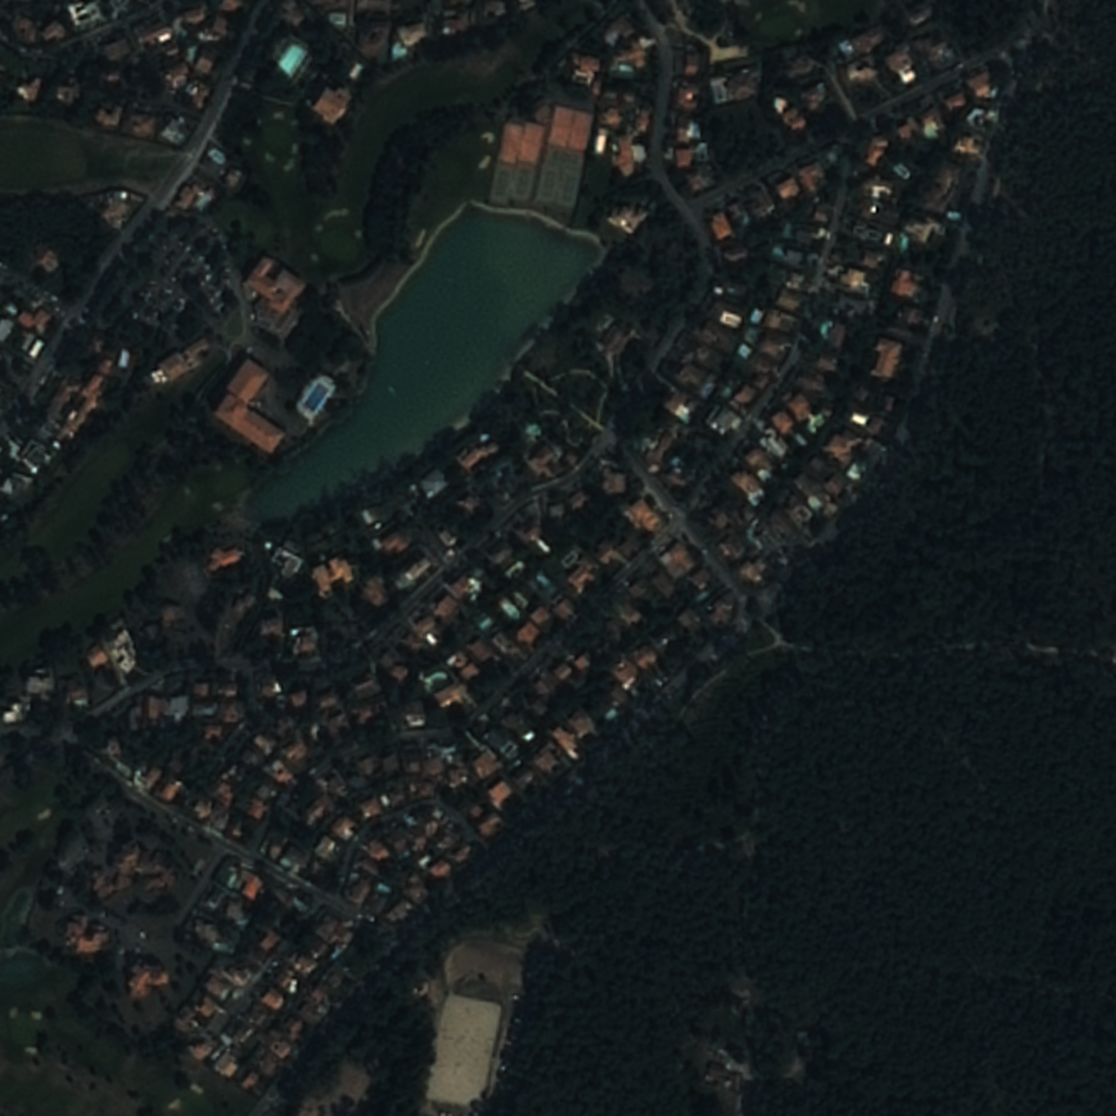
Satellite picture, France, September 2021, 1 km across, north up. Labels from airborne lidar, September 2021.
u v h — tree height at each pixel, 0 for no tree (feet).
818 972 87
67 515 0
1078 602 83
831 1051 79
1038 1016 60
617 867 58
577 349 44
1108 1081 76
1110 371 39
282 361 0
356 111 38
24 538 58
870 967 81
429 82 0
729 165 34
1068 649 63
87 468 0
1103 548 83
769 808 74
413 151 58
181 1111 0
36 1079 0
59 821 0
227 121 19
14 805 0
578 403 21
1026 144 64
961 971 69
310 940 51
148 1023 70
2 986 0
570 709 38
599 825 68
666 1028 85
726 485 67
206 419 44
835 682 89
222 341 19
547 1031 66
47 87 41
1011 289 62
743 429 0
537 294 0
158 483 58
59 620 0
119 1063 0
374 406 0
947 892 87
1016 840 80
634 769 77
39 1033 0
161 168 0
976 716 78
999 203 24
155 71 37
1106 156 79
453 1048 0
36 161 0
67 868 0
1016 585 48
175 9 26
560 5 58
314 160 32
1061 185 67
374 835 18
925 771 85
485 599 39
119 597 0
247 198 29
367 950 73
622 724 18
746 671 80
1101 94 63
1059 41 76
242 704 34
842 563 65
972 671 70
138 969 0
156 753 69
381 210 47
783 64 23
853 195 34
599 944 70
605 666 71
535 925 0
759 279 23
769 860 46
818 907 76
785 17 0
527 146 0
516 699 27
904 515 63
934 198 0
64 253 64
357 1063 52
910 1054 82
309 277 0
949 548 84
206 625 55
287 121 0
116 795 48
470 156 0
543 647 22
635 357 41
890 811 91
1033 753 75
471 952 0
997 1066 64
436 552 0
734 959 64
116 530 59
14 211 47
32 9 46
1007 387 76
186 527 0
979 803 86
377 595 0
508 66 0
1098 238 48
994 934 80
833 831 83
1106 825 79
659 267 47
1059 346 56
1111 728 69
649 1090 86
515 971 0
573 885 63
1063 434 58
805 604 79
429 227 0
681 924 74
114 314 39
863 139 59
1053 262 71
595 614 53
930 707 81
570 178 0
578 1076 77
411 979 64
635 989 85
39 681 0
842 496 36
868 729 85
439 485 0
